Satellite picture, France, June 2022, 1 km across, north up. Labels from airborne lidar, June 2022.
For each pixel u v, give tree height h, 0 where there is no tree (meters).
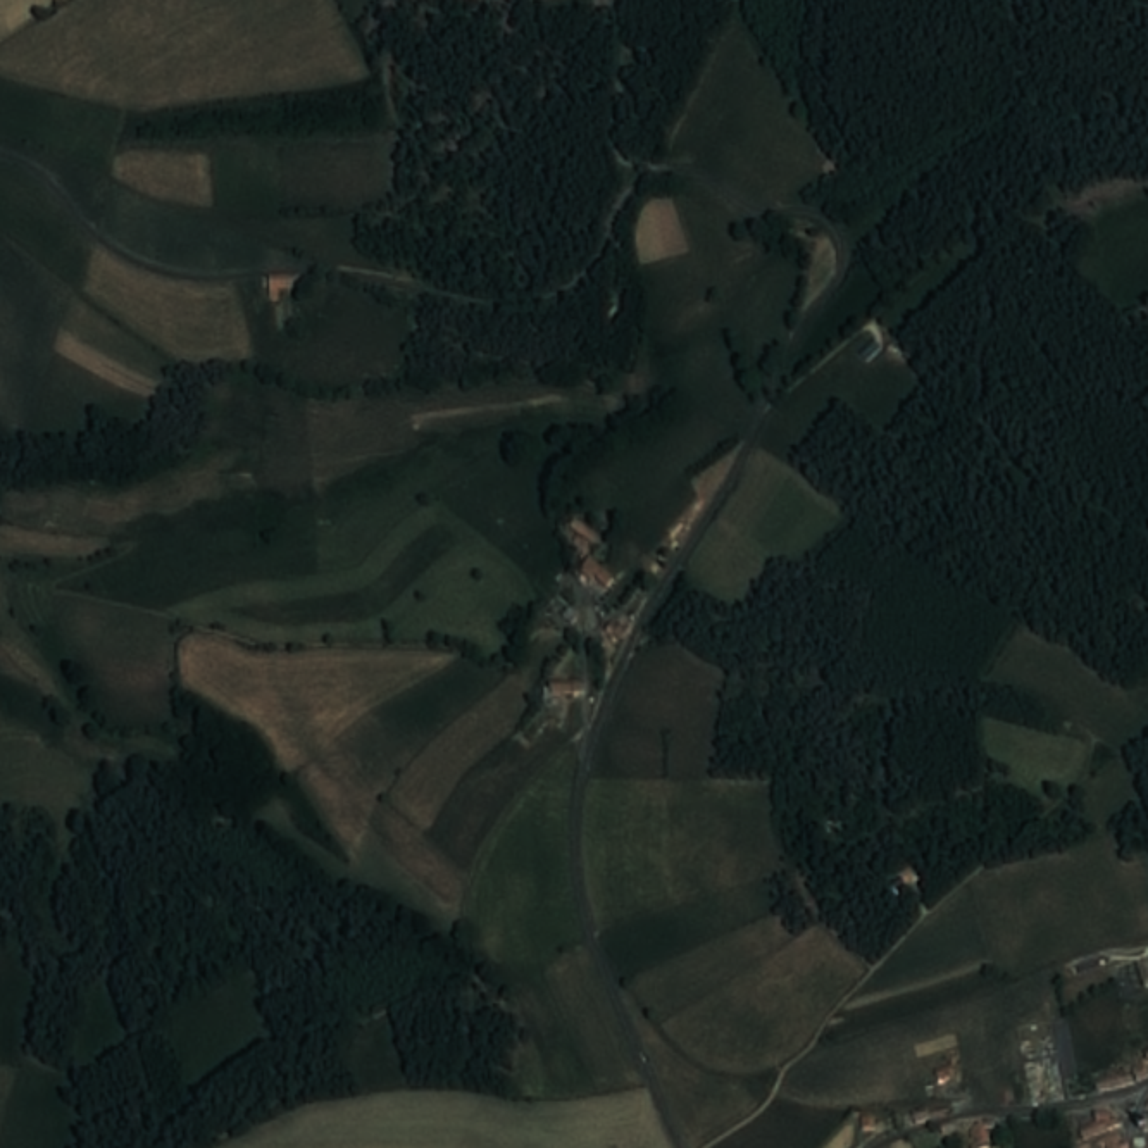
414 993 13
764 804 0
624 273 10
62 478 22
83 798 0
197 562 0
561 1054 0
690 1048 0
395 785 0
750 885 0
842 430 21
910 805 22
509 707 0
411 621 0
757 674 15
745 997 0
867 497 23
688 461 0
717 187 0
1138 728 0
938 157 19
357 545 0
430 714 0
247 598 0
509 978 0
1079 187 25
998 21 31
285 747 0
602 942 0
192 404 13
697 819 0
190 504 0
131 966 23
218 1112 30
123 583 0
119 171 0
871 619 14
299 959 22
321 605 0
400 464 0
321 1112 0
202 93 0
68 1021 22
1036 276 20
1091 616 18
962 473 21
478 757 0
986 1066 0
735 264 0
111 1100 18
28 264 0
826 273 0
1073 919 0
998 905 0
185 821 25
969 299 21
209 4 0
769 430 0
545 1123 0
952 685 21
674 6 21
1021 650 0
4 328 0
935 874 18
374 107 7
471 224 15
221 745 20
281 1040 17
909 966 0
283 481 0
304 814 0
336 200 0
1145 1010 0
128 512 0
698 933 0
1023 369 23
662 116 26
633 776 0
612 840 0
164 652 0
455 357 18
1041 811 11
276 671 0
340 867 0
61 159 0
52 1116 0
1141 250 0
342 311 0
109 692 0
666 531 0
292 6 0
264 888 15
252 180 0
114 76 0
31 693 0
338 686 0
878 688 22
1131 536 19
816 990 0
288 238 0
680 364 0
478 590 0
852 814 8
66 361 0
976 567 17
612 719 0
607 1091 0
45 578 0
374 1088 0
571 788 0
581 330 22
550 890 0
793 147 0
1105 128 26
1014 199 24
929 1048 0
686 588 17
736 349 16
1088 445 21
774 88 0
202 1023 0
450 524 0
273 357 0
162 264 0
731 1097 0
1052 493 16
